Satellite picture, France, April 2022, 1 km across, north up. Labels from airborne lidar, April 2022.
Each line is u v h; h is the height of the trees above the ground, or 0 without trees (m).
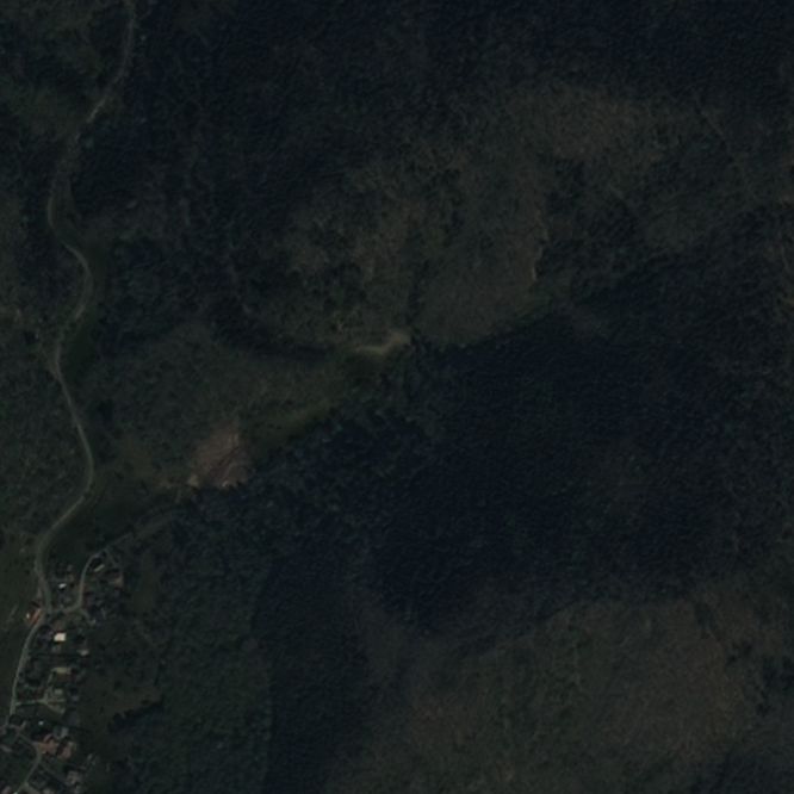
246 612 14
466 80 16
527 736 11
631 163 18
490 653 0
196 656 12
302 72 17
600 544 23
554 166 20
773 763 11
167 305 16
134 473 14
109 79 17
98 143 25
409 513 21
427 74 17
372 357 0
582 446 20
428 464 19
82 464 19
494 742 11
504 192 17
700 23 26
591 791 17
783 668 13
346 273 24
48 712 0
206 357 18
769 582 19
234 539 10
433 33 19
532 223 19
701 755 13
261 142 24
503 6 17
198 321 23
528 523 22
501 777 17
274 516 10
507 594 20
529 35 26
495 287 18
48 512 20
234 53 20
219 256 21
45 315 25
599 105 12
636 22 33
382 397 9
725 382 23
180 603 13
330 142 21
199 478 0
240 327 21
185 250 8
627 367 23
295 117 22
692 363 26
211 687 17
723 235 19
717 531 22
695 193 21
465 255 15
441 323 21
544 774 17
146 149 28
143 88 15
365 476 19
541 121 16
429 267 28
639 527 19
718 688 13
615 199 18
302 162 20
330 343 19
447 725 12
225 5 10
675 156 15
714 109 17
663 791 14
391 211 18
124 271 37
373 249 16
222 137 24
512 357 23
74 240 0
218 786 23
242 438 6
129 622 15
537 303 18
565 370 24
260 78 21
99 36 30
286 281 14
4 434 7
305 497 21
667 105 18
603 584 15
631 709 10
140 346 20
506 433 22
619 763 16
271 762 11
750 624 14
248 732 13
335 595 21
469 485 25
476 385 24
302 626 18
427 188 17
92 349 0
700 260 16
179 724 20
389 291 19
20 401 24
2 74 15
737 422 17
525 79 18
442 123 18
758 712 18
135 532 13
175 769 22
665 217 18
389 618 13
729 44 23
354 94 20
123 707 0
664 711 11
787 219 22
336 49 19
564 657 12
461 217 17
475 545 21
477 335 17
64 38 37
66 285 26
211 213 26
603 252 22
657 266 21
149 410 23
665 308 16
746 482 25
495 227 9
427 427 21
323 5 25
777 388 20
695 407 23
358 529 10
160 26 29
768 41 22
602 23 25
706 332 19
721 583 15
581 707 14
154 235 22
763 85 22
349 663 20
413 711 16
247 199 20
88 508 0
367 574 11
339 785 10
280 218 23
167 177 10
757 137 17
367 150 19
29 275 31
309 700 19
